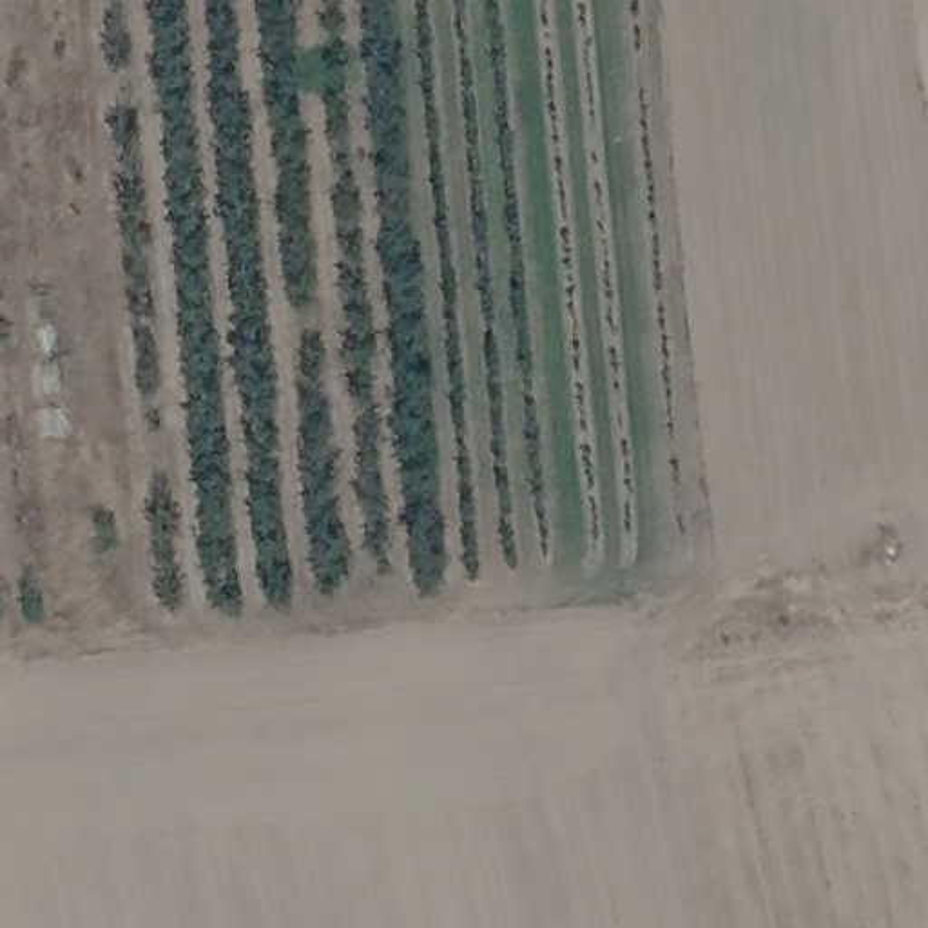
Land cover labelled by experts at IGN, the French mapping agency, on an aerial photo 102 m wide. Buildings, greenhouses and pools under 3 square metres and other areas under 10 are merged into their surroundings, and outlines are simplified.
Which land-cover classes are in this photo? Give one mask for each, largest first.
<instances>
[{"label":"agricultural land","instance_id":"1","mask_svg":"<svg viewBox=\"0 0 928 928\"><path fill-rule=\"evenodd\" d=\"M924 0H667L660 15L663 98L671 105L692 373L700 392L703 460L714 515L711 529H703L692 540L685 537L682 547L660 555L653 562V573L642 580L634 602L555 609L533 616V624L522 627H453L439 613V620L431 624H384L337 638L297 634L276 638L272 645H250L239 638H203L181 649L160 645L156 653L83 656L76 663H25L15 653H0V928H928V91L917 62L914 25V11Z\"/></svg>","mask_w":928,"mask_h":928},{"label":"herbaceous vegetation","instance_id":"2","mask_svg":"<svg viewBox=\"0 0 928 928\"><path fill-rule=\"evenodd\" d=\"M537 7V73L555 218V268L566 334L569 417L576 442L573 453L584 508V558L573 562L558 551V537H547V511H529L511 522L518 555L515 566L504 562L497 533L489 421H468L464 428L475 497L479 576L464 573L457 446L446 402L431 413V421L439 442V511L446 569L435 595H421L410 569V537L402 526V471L392 431L395 381L388 344L384 268L377 257L381 214L373 178V138L366 127L370 69L363 62V22L355 0H344L341 69L323 62V25L319 7L312 0H301L297 62L290 69H279L276 80L283 91L297 94L301 120L308 131L315 297L312 305L294 308L286 301L279 254V167L272 156L261 25L254 0H239V87L247 91L250 105V170L257 192L261 276L276 370L279 504L290 558V602L276 609L257 580V544L247 508L250 453L243 439L239 381L232 366V294L225 225L218 210L210 29L203 0H189V98L203 181L218 384L228 439V511L243 598L239 613L228 616L207 595L196 547L199 497L192 482L185 424L163 116L156 80L149 69L152 22L141 0H0V653H15L25 663H76L83 656L156 653L160 645L181 649L203 638H239L250 645H272L276 638L297 634L337 638L384 624H431L439 620V613L453 627H522L533 624V616L555 609L634 602L642 580L653 573V562L660 555L682 547L685 537L692 540L703 529H711L714 515L703 460L700 392L692 373L671 105L663 98L660 15L667 0H529ZM105 15L127 22V65H109L105 58ZM326 87H341L348 102V131L334 138H326V105L319 98ZM112 109L138 112V138L131 145H116L109 127ZM348 167L359 189L363 283L373 315L370 384L377 402V460L392 562L388 576L373 566V555L366 547V515L355 497V399L348 395V370L341 355L344 301L337 279L341 243L334 228V181ZM116 178H141L145 185V218L152 228V315H131L127 308L120 203L112 185ZM138 326H149L156 337V392H138ZM301 334L323 337V392L330 406V442L337 450L334 500L348 537V573L330 595L319 591L312 569V540L301 493ZM152 475L170 479V500L178 504L174 558L181 573V602L174 609H167L156 595L152 526L145 511ZM18 576H33L40 587V624H29L22 616Z\"/></svg>","mask_w":928,"mask_h":928},{"label":"deciduous trees","instance_id":"3","mask_svg":"<svg viewBox=\"0 0 928 928\"><path fill-rule=\"evenodd\" d=\"M152 22L149 69L156 80L163 116L185 424L192 482L199 497L196 547L207 595L228 616L239 613L243 598L228 511V439L218 384L203 181L189 98V0H141ZM210 29L218 210L225 225L232 294V366L239 381L243 439L250 453L247 508L257 544V580L276 609L290 602V558L279 504L276 370L261 276L257 192L250 170V105L247 91L239 87V0H203ZM261 25L272 156L279 167V254L286 301L294 308L312 305L315 297L308 131L301 120L297 94L283 91L276 80L279 69H290L297 62L301 0H254ZM319 7L323 25V62L341 69L344 0H312ZM363 22V62L370 69L366 127L373 138V178L381 214L377 257L384 268L388 344L395 381L392 431L402 471V526L410 537V569L421 595H435L446 569L439 511V442L431 421V413L446 402L457 446L464 573L479 576L475 497L464 428L468 421H489L497 533L504 562L515 566L518 555L511 522L529 511H547V537H558V551L573 562L584 558V508L573 453L576 442L569 417L566 334L555 268V218L537 73V7L529 0H355ZM105 58L109 65H127V22L105 15ZM319 98L326 105V138H334L348 131V102L341 87H326ZM109 127L116 145H131L138 138V112L112 109ZM334 228L341 243L337 279L344 301L341 355L348 370V395L355 399V497L366 515V547L373 555V566L388 576L392 562L377 460V402L370 384L373 315L363 283L359 189L348 167L334 181ZM112 185L120 203L127 308L131 315H152V228L145 218V185L141 178H116ZM138 392H156V337L149 326H138ZM301 493L312 540V569L319 591L330 595L348 573V537L334 500L337 450L330 442V406L323 392V337L301 334ZM145 511L152 526L156 595L167 609H174L181 602V573L174 558L178 504L170 500V479L152 475ZM22 616L29 624H40V587L33 576H18Z\"/></svg>","mask_w":928,"mask_h":928},{"label":"pervious surface","instance_id":"4","mask_svg":"<svg viewBox=\"0 0 928 928\"><path fill-rule=\"evenodd\" d=\"M914 25L917 62L928 91V0H924L914 11Z\"/></svg>","mask_w":928,"mask_h":928}]
</instances>
